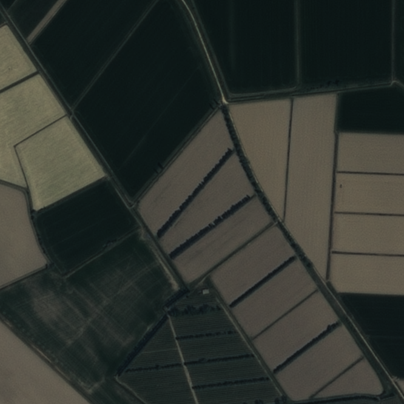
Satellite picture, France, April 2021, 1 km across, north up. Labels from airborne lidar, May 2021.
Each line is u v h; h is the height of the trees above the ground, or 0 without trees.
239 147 21
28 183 0
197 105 0
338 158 0
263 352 0
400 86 0
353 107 0
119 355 0
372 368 0
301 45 0
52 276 0
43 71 0
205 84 0
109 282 0
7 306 0
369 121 0
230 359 11
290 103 0
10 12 0
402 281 0
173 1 0
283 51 0
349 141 0
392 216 0
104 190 0
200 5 0
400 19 0
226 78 0
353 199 0
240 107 0
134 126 0
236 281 0
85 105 0
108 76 0
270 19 0
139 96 0
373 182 0
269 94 0
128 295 0
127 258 0
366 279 0
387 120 0
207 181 15
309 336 0
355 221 0
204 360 13
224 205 0
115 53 0
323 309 0
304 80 0
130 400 0
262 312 0
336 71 0
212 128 0
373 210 0
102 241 0
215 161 0
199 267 0
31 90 0
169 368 11
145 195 0
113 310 0
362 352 0
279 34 0
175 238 0
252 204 0
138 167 0
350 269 0
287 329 0
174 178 0
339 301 0
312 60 0
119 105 0
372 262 0
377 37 0
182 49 0
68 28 0
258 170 0
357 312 0
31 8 0
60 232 0
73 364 0
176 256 17
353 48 0
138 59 0
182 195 0
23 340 0
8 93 0
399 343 0
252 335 0
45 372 0
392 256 0
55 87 0
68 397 0
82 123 0
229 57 0
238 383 12
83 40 0
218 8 0
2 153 0
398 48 0
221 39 0
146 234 0
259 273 0
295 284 0
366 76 0
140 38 0
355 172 0
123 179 0
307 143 0
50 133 0
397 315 0
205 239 0
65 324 0
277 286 0
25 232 0
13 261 0
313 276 0
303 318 0
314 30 0
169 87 0
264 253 0
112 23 0
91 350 0
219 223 11
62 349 0
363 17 0
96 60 0
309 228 0
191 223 0
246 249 0
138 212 0
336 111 0
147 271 0
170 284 0
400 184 0
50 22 0
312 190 0
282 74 0
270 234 0
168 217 0
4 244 0
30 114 0
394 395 14
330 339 0
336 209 0
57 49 0
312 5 0
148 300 0
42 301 0
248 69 0
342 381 0
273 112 0
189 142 0
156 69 0
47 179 0
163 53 0
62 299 0
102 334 0
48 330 0
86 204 0
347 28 0
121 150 0
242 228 0
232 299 0
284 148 0
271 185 0
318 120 0
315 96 0
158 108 0
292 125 0
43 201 0
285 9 0
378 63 0
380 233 0
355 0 0
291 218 0
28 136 0
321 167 0
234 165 0
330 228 0
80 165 0
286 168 0
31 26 0
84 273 0
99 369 0
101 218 0
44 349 0
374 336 0
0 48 0
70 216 0
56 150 0
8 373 0
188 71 0
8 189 0
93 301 0
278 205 0
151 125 0
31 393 0
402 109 0
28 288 0
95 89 0
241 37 0
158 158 0
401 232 0
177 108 0
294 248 18
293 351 0
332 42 0
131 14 0
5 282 0
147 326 0
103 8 0
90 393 0
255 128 0
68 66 0
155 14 0
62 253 0
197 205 0
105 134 0
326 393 0
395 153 0
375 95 0
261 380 11
